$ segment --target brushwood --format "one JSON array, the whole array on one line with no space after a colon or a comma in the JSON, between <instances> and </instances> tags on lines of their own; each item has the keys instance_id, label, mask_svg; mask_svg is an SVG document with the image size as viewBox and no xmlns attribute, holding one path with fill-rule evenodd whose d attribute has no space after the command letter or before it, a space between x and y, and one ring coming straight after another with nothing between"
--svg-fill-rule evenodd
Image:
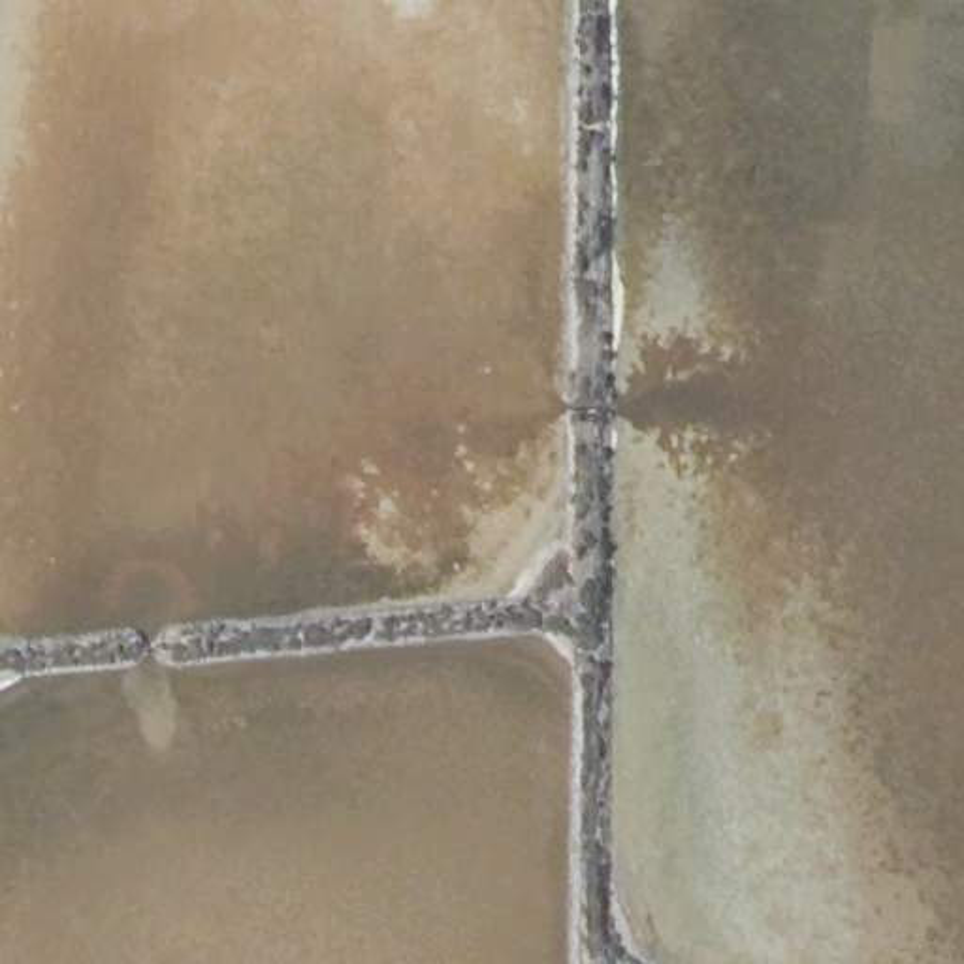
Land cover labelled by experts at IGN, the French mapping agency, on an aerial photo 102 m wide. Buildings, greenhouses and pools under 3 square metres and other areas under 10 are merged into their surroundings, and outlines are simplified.
<instances>
[{"instance_id":1,"label":"brushwood","mask_svg":"<svg viewBox=\"0 0 964 964\"><path fill-rule=\"evenodd\" d=\"M373 603L313 606L271 618L185 621L166 625L151 644L139 640L136 629L0 636L0 670L136 659L139 651L154 648L158 667L203 670L264 659L316 659L365 648L546 640L546 633L561 633L576 644L576 655L584 659L584 919L591 964L640 964L625 953L610 919L610 603L618 542L610 497L610 426L621 422L621 410L614 403L618 392L614 339L599 343L599 335L610 331L614 309L610 260L621 256L599 249L595 218L614 215L621 207L618 147L610 147L606 132L595 132L595 121L606 121L610 113L606 0L580 0L576 297L584 380L576 403L561 403L561 414L595 426L595 441L576 444L576 546L557 554L538 576L538 584L512 606L497 599L478 599L474 606L448 603L437 610L392 614L380 629L369 621Z\"/></svg>"}]
</instances>

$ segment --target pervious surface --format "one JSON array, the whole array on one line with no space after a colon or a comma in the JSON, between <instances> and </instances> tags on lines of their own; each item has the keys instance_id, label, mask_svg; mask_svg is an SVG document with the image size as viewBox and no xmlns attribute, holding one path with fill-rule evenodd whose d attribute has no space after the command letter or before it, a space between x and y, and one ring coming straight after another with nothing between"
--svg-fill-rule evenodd
<instances>
[{"instance_id":1,"label":"pervious surface","mask_svg":"<svg viewBox=\"0 0 964 964\"><path fill-rule=\"evenodd\" d=\"M697 343L700 354L734 358L734 320L700 305L700 279L689 271L693 252L700 249L700 230L693 215L663 215L659 237L655 230L629 233L621 207L614 215L595 218L599 249L621 256L610 260L614 309L610 331L599 335L599 343L614 339L618 392L629 392L629 373L644 365L640 346L651 339L667 346L670 335L685 335Z\"/></svg>"},{"instance_id":2,"label":"pervious surface","mask_svg":"<svg viewBox=\"0 0 964 964\"><path fill-rule=\"evenodd\" d=\"M0 670L0 689L11 689L15 682L64 674L136 670L136 659Z\"/></svg>"},{"instance_id":3,"label":"pervious surface","mask_svg":"<svg viewBox=\"0 0 964 964\"><path fill-rule=\"evenodd\" d=\"M606 121L595 121L595 132L606 132L610 147L618 147L621 0L606 0L610 113Z\"/></svg>"},{"instance_id":4,"label":"pervious surface","mask_svg":"<svg viewBox=\"0 0 964 964\"><path fill-rule=\"evenodd\" d=\"M580 0L565 0L565 358L557 365L561 403L576 403L584 380L576 297Z\"/></svg>"},{"instance_id":5,"label":"pervious surface","mask_svg":"<svg viewBox=\"0 0 964 964\"><path fill-rule=\"evenodd\" d=\"M546 640L565 659L569 674L569 964L591 964L584 919L584 659L576 655L576 644L561 633L546 633Z\"/></svg>"},{"instance_id":6,"label":"pervious surface","mask_svg":"<svg viewBox=\"0 0 964 964\"><path fill-rule=\"evenodd\" d=\"M34 23L41 0L0 0L0 203L8 196L8 177L15 169L15 147L26 139L19 117L30 87L30 68L38 64Z\"/></svg>"},{"instance_id":7,"label":"pervious surface","mask_svg":"<svg viewBox=\"0 0 964 964\"><path fill-rule=\"evenodd\" d=\"M866 723L862 715L855 719L847 712L851 678L859 678L866 670L866 659L881 651L881 625L862 621L847 610L844 576L851 569L859 542L840 546L836 565L821 565L821 523L802 523L798 531L787 531L787 508L764 505L753 493L753 486L738 474L712 471L712 456L693 456L693 444L708 441L704 426L651 433L621 422L610 426L610 497L618 542L610 603L610 919L625 953L640 964L964 964L964 874L953 859L938 859L934 832L900 828L892 795L874 776L881 731L877 723Z\"/></svg>"},{"instance_id":8,"label":"pervious surface","mask_svg":"<svg viewBox=\"0 0 964 964\"><path fill-rule=\"evenodd\" d=\"M557 554L576 546L576 444L595 441L595 426L561 414L554 433L557 482L546 490L546 497L538 501L516 493L512 505L486 512L482 523L471 531L467 565L441 591L373 603L369 621L380 629L392 614L437 610L448 603L474 606L478 599L497 599L512 606L538 584L538 576Z\"/></svg>"}]
</instances>

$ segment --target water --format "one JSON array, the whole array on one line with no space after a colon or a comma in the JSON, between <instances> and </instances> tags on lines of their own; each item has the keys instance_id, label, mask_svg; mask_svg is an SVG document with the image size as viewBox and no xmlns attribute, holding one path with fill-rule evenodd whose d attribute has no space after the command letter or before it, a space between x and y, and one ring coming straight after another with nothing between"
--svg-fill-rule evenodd
<instances>
[{"instance_id":1,"label":"water","mask_svg":"<svg viewBox=\"0 0 964 964\"><path fill-rule=\"evenodd\" d=\"M264 659L203 670L158 667L154 648L139 651L136 659L136 670L64 674L15 682L11 689L0 689L0 964L569 964L569 674L565 659L546 640L365 648L316 659Z\"/></svg>"},{"instance_id":2,"label":"water","mask_svg":"<svg viewBox=\"0 0 964 964\"><path fill-rule=\"evenodd\" d=\"M151 644L166 625L185 621L271 618L313 606L373 603L441 591L467 565L471 531L482 523L486 512L512 505L516 493L538 501L546 497L546 490L557 482L554 433L561 414L561 403L557 365L565 358L565 0L41 0L34 23L38 64L30 68L30 87L19 117L26 139L15 147L15 169L8 177L8 196L0 203L0 636L136 629L139 640Z\"/></svg>"},{"instance_id":3,"label":"water","mask_svg":"<svg viewBox=\"0 0 964 964\"><path fill-rule=\"evenodd\" d=\"M738 474L753 486L753 493L764 505L787 508L787 531L798 531L802 523L821 523L821 565L836 565L840 546L859 542L851 569L844 576L847 610L862 621L881 625L881 651L866 659L866 670L859 678L851 678L847 712L855 719L862 715L866 723L877 723L881 731L874 776L892 795L900 828L934 832L938 859L953 859L964 874L964 0L621 0L618 147L621 207L629 233L655 230L659 237L663 215L693 215L700 230L700 249L693 252L689 271L700 279L700 305L734 320L734 358L700 354L697 343L685 335L670 335L667 346L651 339L640 346L644 365L629 373L629 392L618 392L614 403L621 410L621 422L651 433L704 426L708 441L693 444L693 456L712 456L712 471Z\"/></svg>"}]
</instances>

